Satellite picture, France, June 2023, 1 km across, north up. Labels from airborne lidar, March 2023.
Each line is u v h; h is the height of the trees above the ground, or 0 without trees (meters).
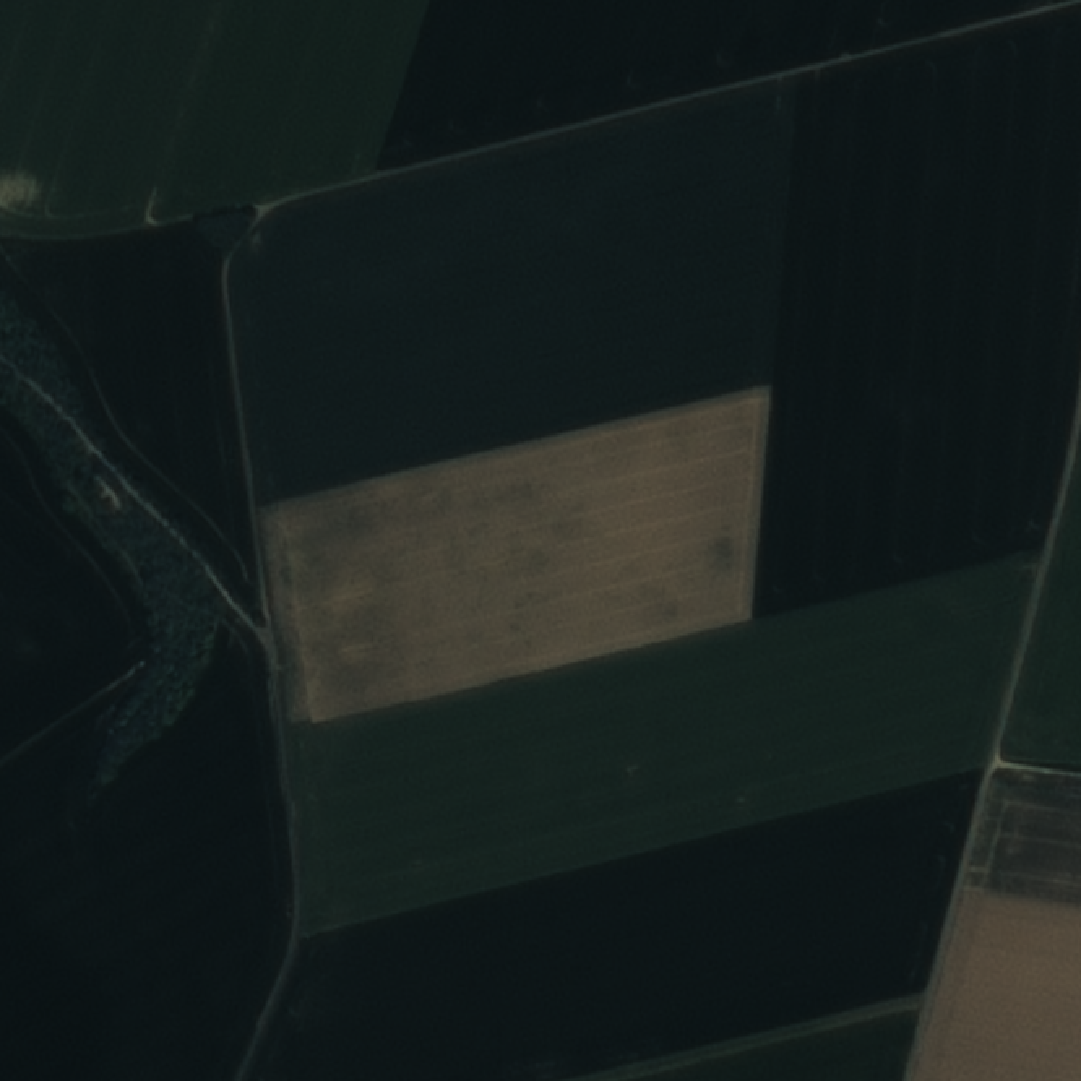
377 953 0
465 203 0
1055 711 0
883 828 0
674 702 0
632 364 0
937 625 0
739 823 0
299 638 0
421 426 0
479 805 0
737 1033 0
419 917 0
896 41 0
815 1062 0
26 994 0
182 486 0
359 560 0
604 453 0
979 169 0
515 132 0
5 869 0
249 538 0
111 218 0
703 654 0
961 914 0
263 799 0
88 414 11
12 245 0
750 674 0
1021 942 0
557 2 0
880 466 0
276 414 0
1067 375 0
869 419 0
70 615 0
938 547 0
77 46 0
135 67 0
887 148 0
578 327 0
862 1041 0
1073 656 0
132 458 0
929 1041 0
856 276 0
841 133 0
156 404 0
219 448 0
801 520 0
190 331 0
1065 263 0
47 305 0
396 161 0
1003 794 0
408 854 0
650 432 0
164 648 17
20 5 0
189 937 0
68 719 0
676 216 0
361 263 0
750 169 0
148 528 17
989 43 0
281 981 0
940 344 0
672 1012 0
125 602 0
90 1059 0
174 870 0
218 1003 0
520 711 0
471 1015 0
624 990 0
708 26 0
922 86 0
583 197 0
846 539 0
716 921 0
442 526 0
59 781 0
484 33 0
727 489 0
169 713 13
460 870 0
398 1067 0
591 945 0
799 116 0
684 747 0
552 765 0
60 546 0
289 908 0
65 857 0
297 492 0
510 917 0
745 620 0
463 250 0
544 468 0
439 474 0
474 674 0
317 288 0
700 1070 0
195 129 0
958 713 0
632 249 0
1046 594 0
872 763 0
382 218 0
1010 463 0
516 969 0
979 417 0
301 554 0
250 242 0
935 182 0
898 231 0
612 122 0
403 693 0
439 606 0
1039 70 0
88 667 0
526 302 0
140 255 0
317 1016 0
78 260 0
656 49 0
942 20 0
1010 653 0
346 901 0
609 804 0
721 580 0
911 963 0
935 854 0
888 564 0
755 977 0
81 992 0
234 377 0
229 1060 0
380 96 0
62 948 0
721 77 0
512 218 0
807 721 0
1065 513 0
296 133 0
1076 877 0
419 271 0
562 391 0
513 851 0
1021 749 0
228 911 0
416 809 0
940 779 0
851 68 0
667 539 0
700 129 0
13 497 0
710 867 0
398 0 0
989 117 0
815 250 0
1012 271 0
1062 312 0
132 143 0
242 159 0
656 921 0
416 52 0
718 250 0
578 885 0
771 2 0
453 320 0
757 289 0
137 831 0
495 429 0
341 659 0
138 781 0
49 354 16
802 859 0
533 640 0
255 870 0
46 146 0
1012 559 0
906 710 0
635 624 0
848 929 0
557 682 0
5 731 0
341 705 0
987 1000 0
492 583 0
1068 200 0
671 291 0
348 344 0
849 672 0
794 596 0
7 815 0
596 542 0
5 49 0
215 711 0
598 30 0
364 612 0
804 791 0
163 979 0
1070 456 0
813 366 0
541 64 0
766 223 0
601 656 0
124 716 10
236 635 0
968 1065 0
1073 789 0
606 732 0
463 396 0
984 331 0
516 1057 0
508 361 0
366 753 0
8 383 18
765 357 0
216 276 0
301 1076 0
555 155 0
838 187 0
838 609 0
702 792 0
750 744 0
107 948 0
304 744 0
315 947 0
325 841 0
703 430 0
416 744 0
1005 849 0
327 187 0
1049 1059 0
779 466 0
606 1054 0
